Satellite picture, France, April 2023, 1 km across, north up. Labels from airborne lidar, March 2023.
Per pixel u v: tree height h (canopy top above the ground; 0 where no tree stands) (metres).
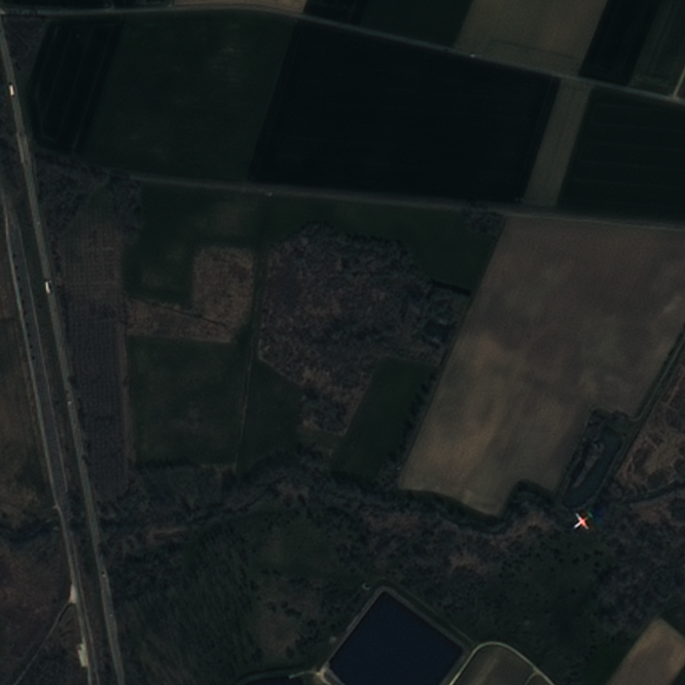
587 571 0
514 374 0
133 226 22
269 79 0
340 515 14
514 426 0
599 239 0
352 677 0
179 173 0
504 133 0
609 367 0
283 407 0
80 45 0
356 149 0
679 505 6
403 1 0
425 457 0
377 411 0
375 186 0
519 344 0
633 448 0
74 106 0
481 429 0
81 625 0
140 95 0
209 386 0
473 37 0
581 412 0
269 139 0
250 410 0
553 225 0
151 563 14
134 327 0
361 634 0
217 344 0
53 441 0
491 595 0
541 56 0
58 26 0
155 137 0
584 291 0
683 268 0
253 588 6
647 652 0
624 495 35
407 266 6
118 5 0
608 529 19
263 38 0
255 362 0
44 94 0
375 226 0
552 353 0
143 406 0
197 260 0
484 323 0
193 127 0
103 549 0
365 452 0
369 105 0
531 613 0
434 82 0
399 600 0
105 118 0
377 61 0
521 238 0
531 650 0
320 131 0
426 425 0
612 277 0
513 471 0
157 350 0
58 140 0
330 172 0
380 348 21
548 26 0
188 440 0
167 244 0
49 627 0
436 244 0
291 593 0
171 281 0
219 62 0
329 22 0
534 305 0
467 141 0
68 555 0
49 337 0
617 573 11
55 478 0
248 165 0
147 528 14
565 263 0
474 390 0
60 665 31
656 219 0
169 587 13
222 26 0
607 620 23
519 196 0
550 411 0
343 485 23
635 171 0
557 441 0
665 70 0
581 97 0
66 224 6
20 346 0
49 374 0
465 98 0
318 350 15
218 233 0
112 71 0
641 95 0
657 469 0
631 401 0
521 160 0
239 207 0
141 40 0
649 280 0
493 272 0
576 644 0
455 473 0
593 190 0
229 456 0
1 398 0
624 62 0
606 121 0
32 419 0
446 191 0
